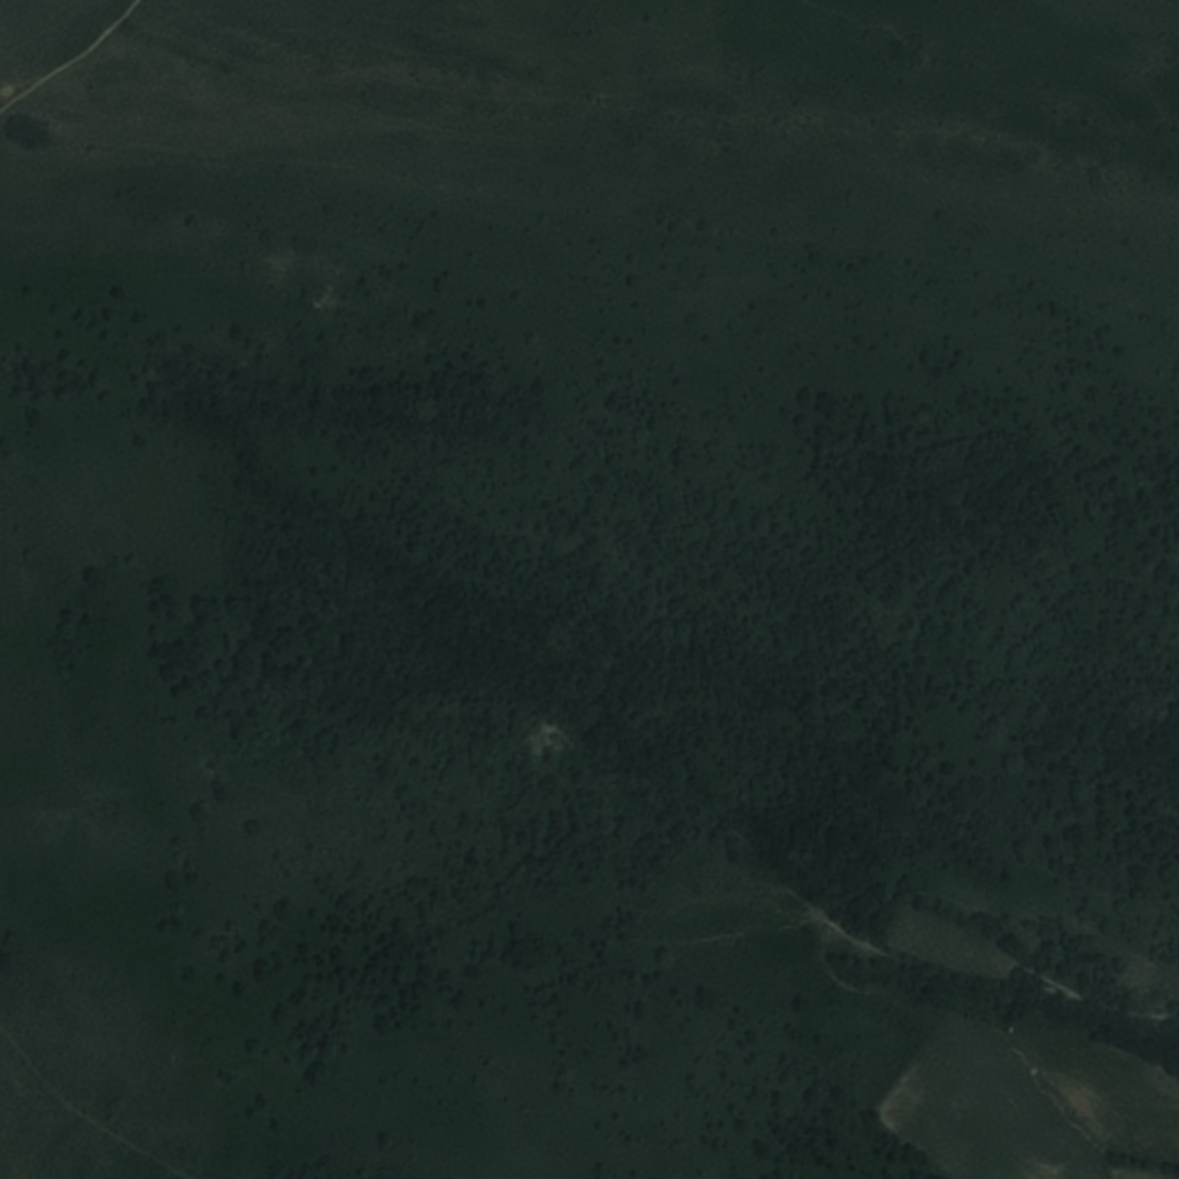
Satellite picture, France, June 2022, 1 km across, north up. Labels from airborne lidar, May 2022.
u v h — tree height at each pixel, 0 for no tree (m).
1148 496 12
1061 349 6
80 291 0
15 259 0
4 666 0
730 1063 7
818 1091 7
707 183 0
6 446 8
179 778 0
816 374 0
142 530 0
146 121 0
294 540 12
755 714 11
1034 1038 0
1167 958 6
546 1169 0
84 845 0
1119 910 8
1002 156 0
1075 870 8
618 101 0
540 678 12
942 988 15
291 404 7
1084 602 16
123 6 0
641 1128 0
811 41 0
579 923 0
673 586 8
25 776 0
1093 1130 0
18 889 0
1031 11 0
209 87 0
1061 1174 0
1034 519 14
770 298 0
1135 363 0
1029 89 0
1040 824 13
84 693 0
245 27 0
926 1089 0
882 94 0
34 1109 0
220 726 8
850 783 11
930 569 19
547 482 8
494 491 8
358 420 13
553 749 9
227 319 0
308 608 13
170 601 17
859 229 0
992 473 21
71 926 0
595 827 7
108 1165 0
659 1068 0
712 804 8
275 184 0
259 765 10
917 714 6
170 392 10
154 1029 0
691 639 7
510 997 0
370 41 0
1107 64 0
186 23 0
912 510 17
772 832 13
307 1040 11
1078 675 10
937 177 0
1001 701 7
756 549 11
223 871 0
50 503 0
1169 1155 0
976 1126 0
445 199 0
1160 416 12
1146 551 11
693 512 7
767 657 8
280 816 0
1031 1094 0
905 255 0
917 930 0
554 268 0
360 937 7
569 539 12
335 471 10
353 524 6
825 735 13
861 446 9
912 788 11
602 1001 0
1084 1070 0
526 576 10
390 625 15
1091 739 16
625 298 0
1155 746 16
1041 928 8
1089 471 10
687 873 0
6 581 0
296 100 0
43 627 0
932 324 0
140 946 0
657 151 0
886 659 12
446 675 12
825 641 9
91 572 14
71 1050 0
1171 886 12
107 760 0
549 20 0
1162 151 0
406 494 11
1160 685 9
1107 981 8
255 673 18
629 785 6
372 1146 0
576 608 11
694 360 0
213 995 0
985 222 0
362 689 10
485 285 0
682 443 9
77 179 0
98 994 0
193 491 0
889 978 7
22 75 0
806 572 11
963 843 10
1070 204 0
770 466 10
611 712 11
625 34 0
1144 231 0
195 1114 0
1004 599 0
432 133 0
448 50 0
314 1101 0
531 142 0
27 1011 0
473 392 9
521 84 0
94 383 12
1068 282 0
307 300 6
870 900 11
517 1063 0
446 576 7
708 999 17
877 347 7
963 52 0
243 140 0
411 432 13
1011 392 10
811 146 0
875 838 9
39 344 0
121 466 0
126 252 0
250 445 6
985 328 0
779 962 0
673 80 0
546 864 12
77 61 0
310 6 0
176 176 0
